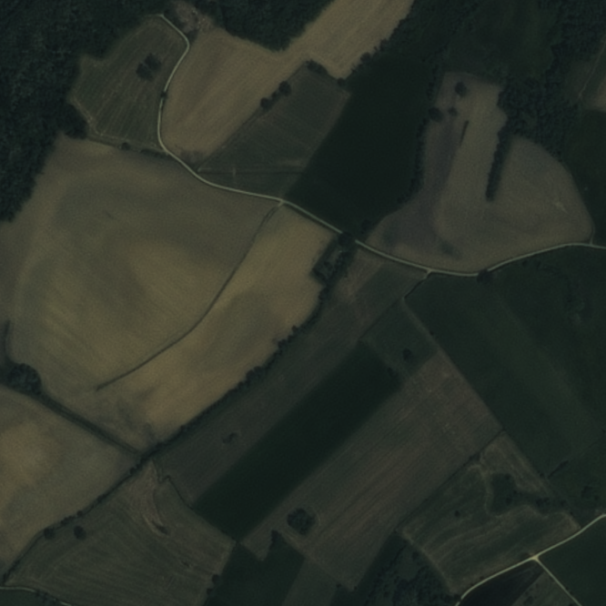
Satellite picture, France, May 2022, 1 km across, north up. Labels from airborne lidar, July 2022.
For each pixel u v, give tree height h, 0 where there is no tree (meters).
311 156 0
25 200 9
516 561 0
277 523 0
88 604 0
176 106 0
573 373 0
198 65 0
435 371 0
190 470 0
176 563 0
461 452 0
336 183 0
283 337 0
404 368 0
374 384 0
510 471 0
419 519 0
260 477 0
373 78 0
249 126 0
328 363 0
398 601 17
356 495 0
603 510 0
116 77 0
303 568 0
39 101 22
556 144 24
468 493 0
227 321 0
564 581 0
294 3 19
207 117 0
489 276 16
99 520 0
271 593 0
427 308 0
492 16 0
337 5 0
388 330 0
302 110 0
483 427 0
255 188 0
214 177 0
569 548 0
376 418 0
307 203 0
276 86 0
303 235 0
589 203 0
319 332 0
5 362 0
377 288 0
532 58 0
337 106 0
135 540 0
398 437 0
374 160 0
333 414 0
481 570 0
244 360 0
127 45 0
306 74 0
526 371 0
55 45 17
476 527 0
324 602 0
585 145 0
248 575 0
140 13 23
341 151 0
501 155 13
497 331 0
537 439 0
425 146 15
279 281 0
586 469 0
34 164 12
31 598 0
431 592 10
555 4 16
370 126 0
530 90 25
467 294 0
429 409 0
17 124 28
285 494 0
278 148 0
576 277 0
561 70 19
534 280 0
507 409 0
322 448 0
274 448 0
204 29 0
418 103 0
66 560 0
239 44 0
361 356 0
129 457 0
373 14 0
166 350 0
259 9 29
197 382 0
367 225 15
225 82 0
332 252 0
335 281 7
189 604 0
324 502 0
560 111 14
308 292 0
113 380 0
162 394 0
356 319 0
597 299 0
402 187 0
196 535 0
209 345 0
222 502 0
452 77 0
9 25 24
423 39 0
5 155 26
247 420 0
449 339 0
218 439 0
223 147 0
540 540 0
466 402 0
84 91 0
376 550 0
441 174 0
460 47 0
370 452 0
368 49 0
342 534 0
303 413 0
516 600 0
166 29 0
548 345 0
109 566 0
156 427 0
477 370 0
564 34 17
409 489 0
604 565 0
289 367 0
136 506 0
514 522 0
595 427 0
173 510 0
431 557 0
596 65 0
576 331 0
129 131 0
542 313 0
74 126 19
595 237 0
